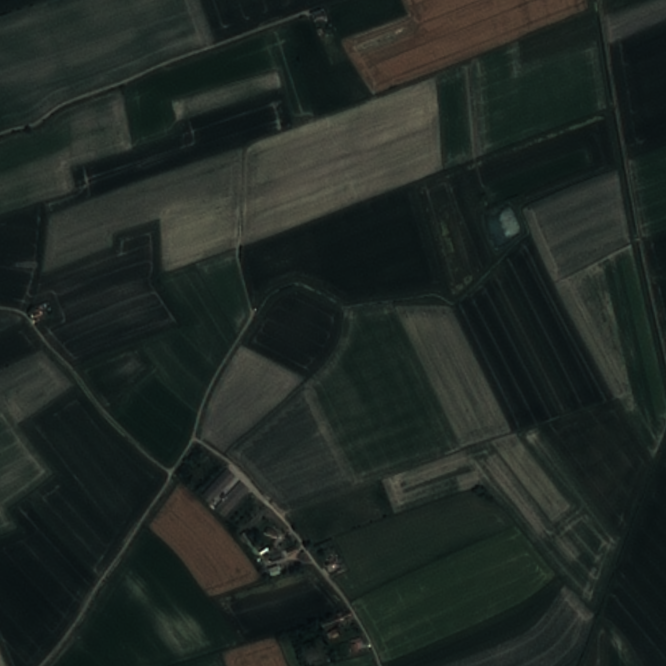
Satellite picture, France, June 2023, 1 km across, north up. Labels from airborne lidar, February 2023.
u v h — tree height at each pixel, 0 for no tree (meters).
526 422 0
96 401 0
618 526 0
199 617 0
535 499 0
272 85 0
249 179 0
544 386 0
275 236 0
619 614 0
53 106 0
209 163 0
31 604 0
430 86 0
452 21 0
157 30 0
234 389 0
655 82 0
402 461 0
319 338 0
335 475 0
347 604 0
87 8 0
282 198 0
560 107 0
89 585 0
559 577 0
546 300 0
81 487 0
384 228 0
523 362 0
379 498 0
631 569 0
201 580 0
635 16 0
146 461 0
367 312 0
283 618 0
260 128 0
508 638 0
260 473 0
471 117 0
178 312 0
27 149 0
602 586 0
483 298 0
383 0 0
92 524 0
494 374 0
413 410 0
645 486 0
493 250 0
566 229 0
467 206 0
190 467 5
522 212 0
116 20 0
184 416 0
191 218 0
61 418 0
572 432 0
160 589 0
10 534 0
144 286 0
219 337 0
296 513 0
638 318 0
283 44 0
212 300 0
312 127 0
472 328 0
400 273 0
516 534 0
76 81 0
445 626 0
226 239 0
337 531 0
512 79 0
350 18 0
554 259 0
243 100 0
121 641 0
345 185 0
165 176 0
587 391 0
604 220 0
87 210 0
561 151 0
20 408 0
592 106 0
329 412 0
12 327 0
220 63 0
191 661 0
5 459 0
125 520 0
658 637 0
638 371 0
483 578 0
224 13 0
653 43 0
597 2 0
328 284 0
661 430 0
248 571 0
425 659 0
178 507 0
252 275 0
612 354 0
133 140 0
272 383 0
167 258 0
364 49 0
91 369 0
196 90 0
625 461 0
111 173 0
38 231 0
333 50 0
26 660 0
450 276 0
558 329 0
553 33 0
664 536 0
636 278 0
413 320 0
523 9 0
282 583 0
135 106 0
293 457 0
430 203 0
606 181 0
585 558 0
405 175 0
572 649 0
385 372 0
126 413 0
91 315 0
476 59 0
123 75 0
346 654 0
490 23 0
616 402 0
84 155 0
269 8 0
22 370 0
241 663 0
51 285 0
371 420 0
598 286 0
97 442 0
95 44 0
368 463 0
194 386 0
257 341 0
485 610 0
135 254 0
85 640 0
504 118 0
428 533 0
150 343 0
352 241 0
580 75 0
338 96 0
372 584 0
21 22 0
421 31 0
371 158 0
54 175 0
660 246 0
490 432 0
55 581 0
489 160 0
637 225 0
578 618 0
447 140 0
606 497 0
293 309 0
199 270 0
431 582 0
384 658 0
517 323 0
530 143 0
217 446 0
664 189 0
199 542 0
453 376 0
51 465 0
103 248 0
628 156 0
